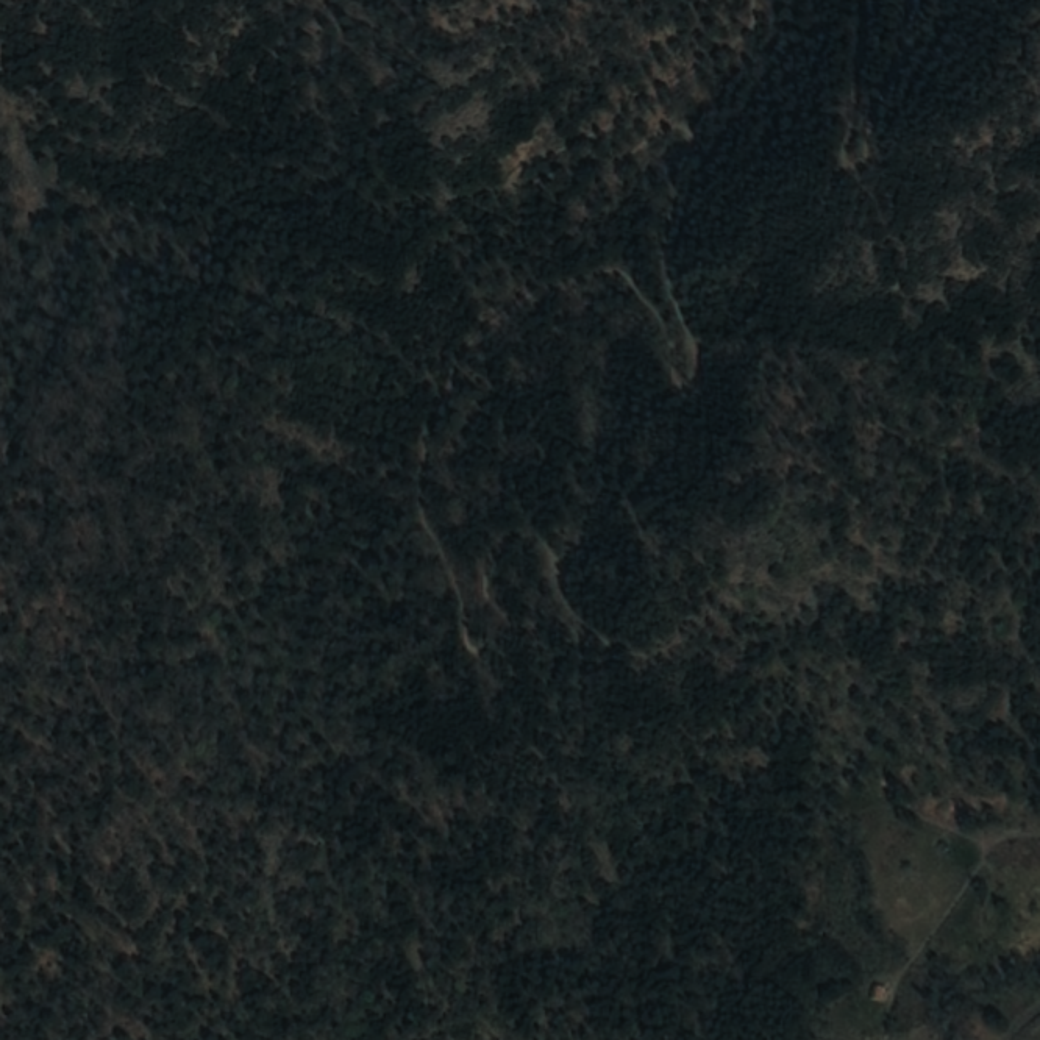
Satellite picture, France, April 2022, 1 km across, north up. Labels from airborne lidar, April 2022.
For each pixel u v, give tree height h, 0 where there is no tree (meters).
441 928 25
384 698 15
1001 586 20
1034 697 35
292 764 32
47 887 37
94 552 28
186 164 29
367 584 24
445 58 18
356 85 27
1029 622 25
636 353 14
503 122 19
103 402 21
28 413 34
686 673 25
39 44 23
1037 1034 0
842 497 17
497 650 16
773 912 18
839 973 13
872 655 22
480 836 16
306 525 31
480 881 27
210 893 23
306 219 27
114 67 19
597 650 19
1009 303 18
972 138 16
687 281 24
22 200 14
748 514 10
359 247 20
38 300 18
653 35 28
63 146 23
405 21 21
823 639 35
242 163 17
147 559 32
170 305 20
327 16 27
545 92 20
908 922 0
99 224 20
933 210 14
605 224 6
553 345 25
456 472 22
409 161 32
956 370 29
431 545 24
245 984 23
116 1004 26
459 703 14
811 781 7
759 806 24
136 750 22
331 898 27
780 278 24
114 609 22
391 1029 16
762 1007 33
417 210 6
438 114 14
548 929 30
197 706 20
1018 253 22
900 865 0
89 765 29
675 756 19
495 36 19
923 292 8
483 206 9
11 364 27
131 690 31
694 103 29
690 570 22
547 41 27
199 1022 30
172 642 20
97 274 40
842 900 9
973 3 27
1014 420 29
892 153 20
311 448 17
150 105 12
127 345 21
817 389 33
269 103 24
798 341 19
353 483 22
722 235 23
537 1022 21
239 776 25
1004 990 24
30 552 26
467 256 19
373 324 21
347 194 31
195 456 22
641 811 30
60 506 39
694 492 14
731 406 18
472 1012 20
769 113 32
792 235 15
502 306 18
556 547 13
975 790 18
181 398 23
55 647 30
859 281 18
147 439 18
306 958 21
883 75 23
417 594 26
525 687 21
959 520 24
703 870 28
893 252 11
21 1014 25
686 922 17
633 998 24
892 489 20
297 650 22
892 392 32
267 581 28
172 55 13
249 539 29
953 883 0
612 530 18
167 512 13
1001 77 23
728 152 28
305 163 26
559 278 18
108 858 28
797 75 26
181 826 32
